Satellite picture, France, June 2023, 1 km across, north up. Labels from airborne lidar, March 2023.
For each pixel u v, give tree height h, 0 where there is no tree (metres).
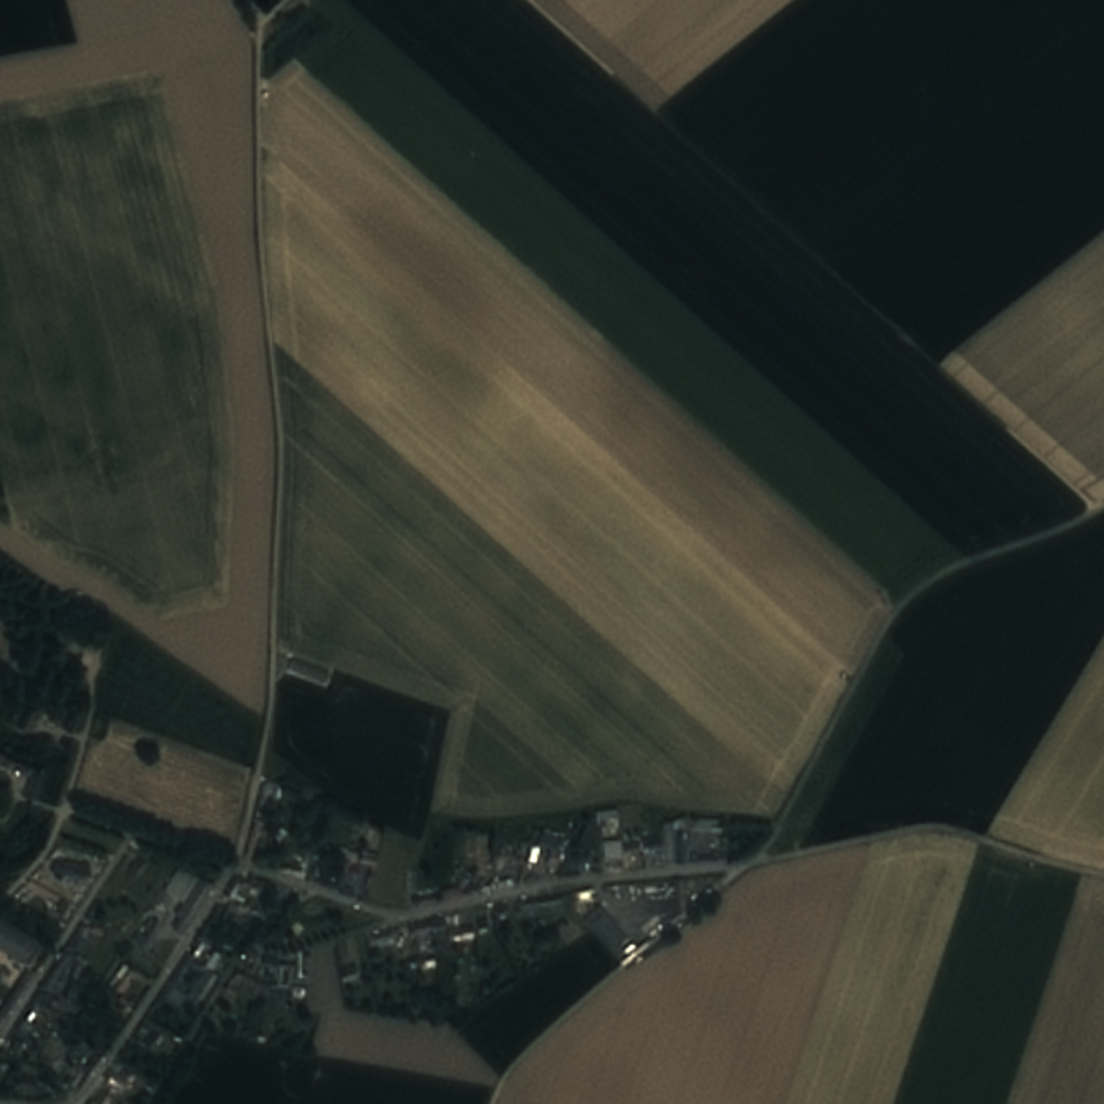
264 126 0
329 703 0
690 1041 0
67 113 0
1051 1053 0
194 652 0
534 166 0
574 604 0
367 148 0
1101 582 0
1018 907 0
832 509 0
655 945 0
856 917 0
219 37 0
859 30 0
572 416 0
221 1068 0
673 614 0
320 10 0
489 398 0
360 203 0
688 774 0
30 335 0
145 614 0
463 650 0
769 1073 0
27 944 0
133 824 22
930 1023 0
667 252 0
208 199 0
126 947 7
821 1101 0
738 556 0
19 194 0
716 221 0
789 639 0
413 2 0
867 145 0
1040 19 0
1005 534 0
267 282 0
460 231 0
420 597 0
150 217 0
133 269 0
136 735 0
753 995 0
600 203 0
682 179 0
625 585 0
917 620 0
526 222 0
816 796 0
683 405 0
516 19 0
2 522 0
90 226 0
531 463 0
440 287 0
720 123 0
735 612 0
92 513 0
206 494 0
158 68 0
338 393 0
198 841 23
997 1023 0
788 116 0
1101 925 0
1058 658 0
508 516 0
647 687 0
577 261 0
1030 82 0
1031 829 0
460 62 0
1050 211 0
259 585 0
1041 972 0
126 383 0
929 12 0
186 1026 13
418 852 0
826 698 0
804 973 0
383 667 0
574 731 0
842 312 0
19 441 0
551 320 0
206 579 0
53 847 0
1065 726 0
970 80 0
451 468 0
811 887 0
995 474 0
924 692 0
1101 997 0
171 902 0
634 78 0
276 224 0
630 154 0
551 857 0
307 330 0
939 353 0
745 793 0
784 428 0
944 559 0
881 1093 0
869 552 0
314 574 0
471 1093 0
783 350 0
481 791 0
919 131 0
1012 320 0
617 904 0
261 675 0
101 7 0
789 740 0
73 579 0
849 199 0
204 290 0
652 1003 0
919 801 0
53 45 0
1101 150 0
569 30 0
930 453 0
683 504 0
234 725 0
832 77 0
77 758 0
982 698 0
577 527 0
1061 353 0
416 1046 0
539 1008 0
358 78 0
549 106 0
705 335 0
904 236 0
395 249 0
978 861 0
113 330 0
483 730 0
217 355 0
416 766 0
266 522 0
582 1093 0
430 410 0
